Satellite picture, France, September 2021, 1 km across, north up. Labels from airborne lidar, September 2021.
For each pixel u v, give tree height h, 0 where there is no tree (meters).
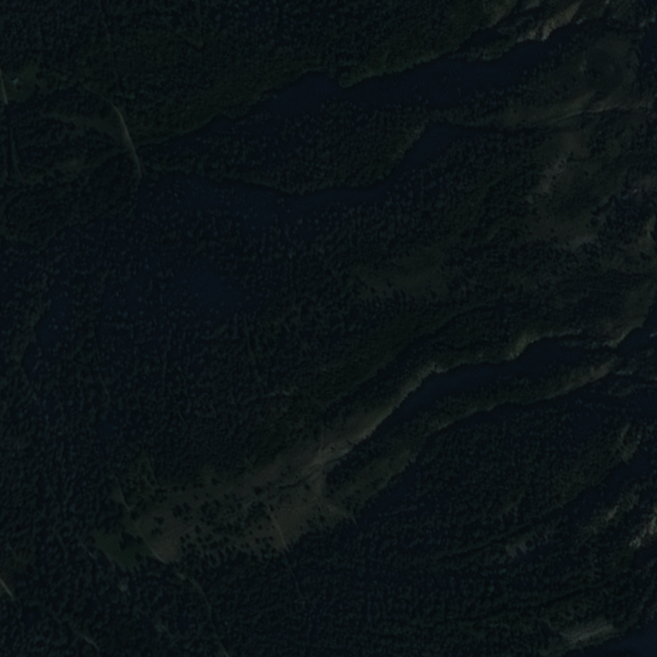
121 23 21
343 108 11
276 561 9
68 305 20
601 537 9
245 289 8
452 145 22
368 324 10
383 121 14
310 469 0
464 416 9
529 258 10
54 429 27
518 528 8
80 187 12
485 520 9
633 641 0
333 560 24
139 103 14
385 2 11
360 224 22
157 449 20
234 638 12
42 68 14
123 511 10
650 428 9
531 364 7
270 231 34
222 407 33
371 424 0
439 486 19
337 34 16
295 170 16
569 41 9
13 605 15
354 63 17
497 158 20
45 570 16
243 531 10
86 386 13
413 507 33
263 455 10
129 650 16
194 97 8
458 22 7
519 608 10
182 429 21
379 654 11
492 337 11
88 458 12
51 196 16
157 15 7
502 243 8
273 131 13
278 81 7
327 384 14
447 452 16
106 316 22
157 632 11
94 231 13
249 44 11
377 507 10
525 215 8
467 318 8
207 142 16
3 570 10
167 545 0
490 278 10
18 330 19
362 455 11
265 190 8
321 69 14
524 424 7
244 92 9
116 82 7
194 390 9
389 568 16
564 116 0
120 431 22
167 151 8
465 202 7
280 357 23
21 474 27
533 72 15
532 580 17
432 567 12
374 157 13
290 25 16
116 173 13
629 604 9
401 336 14
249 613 21
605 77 0
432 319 7
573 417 10
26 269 17
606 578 11
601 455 17
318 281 12
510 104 7
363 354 12
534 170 10
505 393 11
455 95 10
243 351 9
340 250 28
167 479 17
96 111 15
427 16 10
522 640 10
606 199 0
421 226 13
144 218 20
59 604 26
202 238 21
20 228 12
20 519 26
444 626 13
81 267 26
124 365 31
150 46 10
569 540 15
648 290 0
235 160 13
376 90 14
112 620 15
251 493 0
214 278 11
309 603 14
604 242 9
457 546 27
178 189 16
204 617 7
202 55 8
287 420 14
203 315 16
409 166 17
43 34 13
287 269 10
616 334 0
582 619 8
